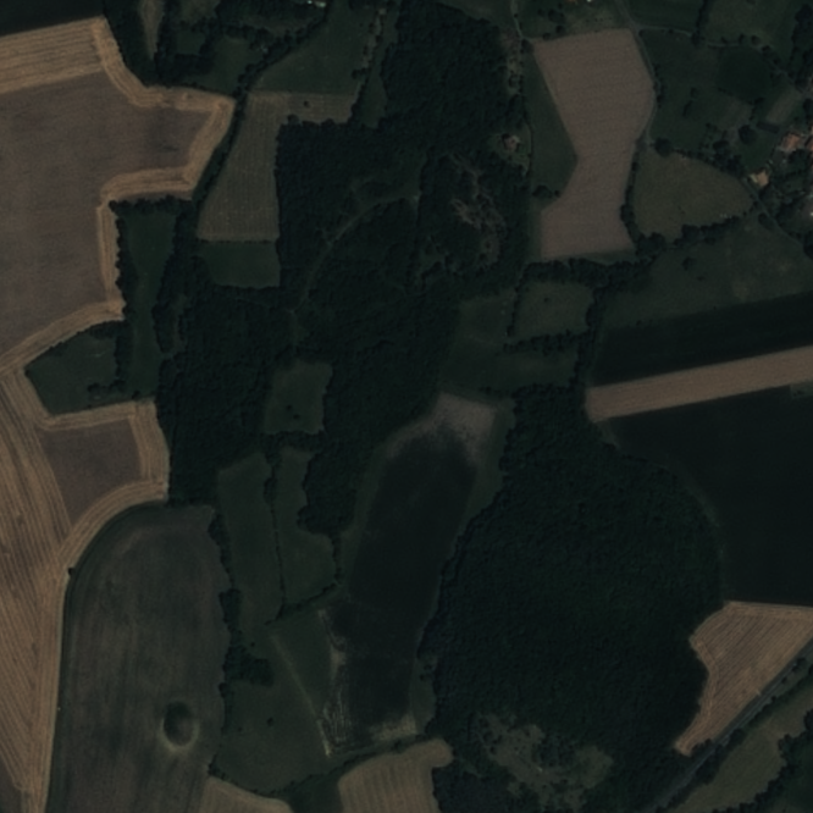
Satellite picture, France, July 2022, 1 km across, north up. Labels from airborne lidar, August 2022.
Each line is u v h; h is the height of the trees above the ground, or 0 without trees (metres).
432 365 18
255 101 0
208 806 0
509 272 15
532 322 0
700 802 0
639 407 0
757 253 0
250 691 0
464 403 0
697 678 15
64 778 0
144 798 0
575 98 0
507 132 9
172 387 8
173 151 0
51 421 0
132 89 0
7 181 0
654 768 11
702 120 0
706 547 8
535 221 0
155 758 0
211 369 7
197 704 0
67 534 0
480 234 14
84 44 0
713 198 0
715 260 0
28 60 0
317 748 0
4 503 0
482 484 0
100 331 10
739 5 0
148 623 0
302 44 10
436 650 22
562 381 0
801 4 0
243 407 10
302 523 9
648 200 0
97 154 0
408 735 0
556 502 20
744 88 0
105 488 0
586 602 13
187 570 0
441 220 12
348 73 0
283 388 0
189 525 0
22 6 0
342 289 9
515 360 0
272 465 7
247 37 15
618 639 12
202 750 0
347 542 0
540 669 15
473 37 18
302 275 12
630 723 9
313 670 0
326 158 16
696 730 0
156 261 0
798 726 0
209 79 0
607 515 19
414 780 0
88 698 0
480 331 0
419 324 11
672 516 14
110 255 0
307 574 0
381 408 13
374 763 0
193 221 14
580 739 8
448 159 18
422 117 15
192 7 0
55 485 0
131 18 19
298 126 9
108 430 0
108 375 0
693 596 13
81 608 0
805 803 0
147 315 0
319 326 6
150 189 0
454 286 14
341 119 0
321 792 0
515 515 19
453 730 13
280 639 0
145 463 0
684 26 0
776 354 0
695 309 0
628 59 0
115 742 0
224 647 0
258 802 0
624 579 13
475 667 16
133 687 0
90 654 0
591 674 16
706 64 0
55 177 0
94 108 0
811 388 0
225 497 0
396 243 6
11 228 0
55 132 0
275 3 16
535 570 11
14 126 0
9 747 0
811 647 0
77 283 0
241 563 0
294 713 0
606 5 0
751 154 0
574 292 0
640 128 0
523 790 8
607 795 10
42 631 0
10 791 0
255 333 11
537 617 17
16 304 0
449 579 8
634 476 13
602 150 0
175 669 0
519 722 6
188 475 12
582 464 14
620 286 17
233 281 0
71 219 0
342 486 10
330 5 12
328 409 11
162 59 16
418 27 17
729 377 0
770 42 0
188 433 10
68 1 0
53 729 0
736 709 0
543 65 0
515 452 19
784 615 0
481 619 19
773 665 0
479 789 22
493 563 14
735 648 0
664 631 10
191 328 11
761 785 0
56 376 0
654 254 8
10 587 0
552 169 0
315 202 12
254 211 0
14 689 0
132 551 0
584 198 0
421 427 0
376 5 11
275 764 0
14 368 0
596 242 0
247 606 0
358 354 8
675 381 0
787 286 0
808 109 15
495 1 0
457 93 18
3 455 0
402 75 14
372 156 13
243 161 0
